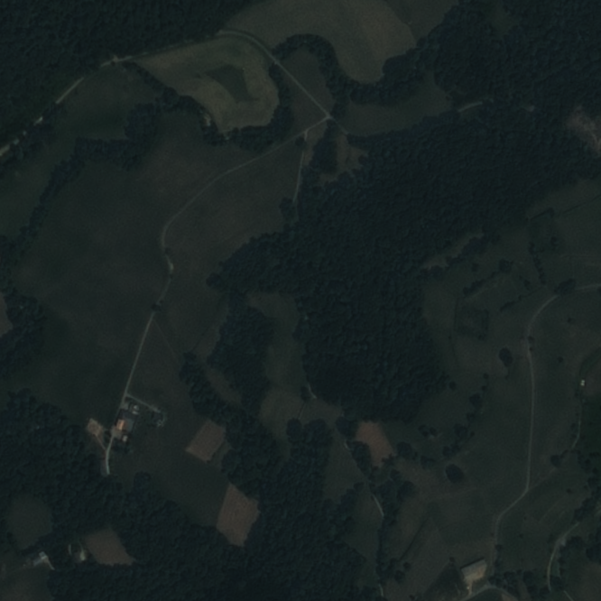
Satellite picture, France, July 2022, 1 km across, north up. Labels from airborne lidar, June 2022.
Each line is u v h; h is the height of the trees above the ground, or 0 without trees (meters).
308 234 24
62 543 22
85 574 29
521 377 0
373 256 19
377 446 0
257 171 0
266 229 0
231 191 0
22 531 0
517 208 27
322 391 16
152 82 22
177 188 0
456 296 0
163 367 0
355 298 34
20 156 24
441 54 30
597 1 28
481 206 25
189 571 32
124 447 10
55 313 0
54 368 0
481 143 30
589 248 0
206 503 0
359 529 0
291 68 0
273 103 0
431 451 0
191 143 0
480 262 0
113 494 26
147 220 0
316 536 24
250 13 0
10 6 26
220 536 20
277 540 26
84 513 30
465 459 0
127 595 22
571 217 0
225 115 0
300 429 23
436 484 0
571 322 9
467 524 0
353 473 0
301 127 0
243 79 0
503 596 0
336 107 10
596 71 31
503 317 0
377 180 30
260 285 17
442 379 23
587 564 0
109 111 0
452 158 26
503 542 0
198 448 0
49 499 28
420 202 33
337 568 25
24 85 27
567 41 24
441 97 0
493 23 0
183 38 21
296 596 28
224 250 0
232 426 18
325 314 27
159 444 0
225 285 21
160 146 0
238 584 32
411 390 26
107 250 0
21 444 30
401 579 15
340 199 29
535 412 0
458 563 0
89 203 0
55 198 15
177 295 0
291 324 0
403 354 26
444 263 0
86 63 23
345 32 0
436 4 0
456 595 0
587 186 0
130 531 22
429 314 0
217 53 0
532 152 29
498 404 0
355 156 0
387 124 0
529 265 0
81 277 0
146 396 0
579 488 0
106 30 26
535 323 0
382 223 29
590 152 26
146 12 28
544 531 0
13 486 23
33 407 20
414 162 35
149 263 0
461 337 0
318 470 27
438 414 0
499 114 26
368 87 13
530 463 0
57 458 28
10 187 0
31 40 30
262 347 29
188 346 0
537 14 30
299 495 25
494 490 0
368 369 27
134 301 0
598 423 0
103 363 0
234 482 20
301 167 0
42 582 0
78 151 14
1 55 34
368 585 0
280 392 0
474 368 0
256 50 0
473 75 24
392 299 19
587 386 0
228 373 25
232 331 28
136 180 0
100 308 0
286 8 0
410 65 22
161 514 32
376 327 24
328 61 18
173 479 0
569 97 30
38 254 0
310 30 0
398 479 17
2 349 23
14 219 0
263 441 27
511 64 29
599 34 39
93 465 17
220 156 0
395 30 0
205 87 0
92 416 0
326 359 24
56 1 27
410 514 0
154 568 20
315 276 27
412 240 22
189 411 0
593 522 0
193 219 0
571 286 13
